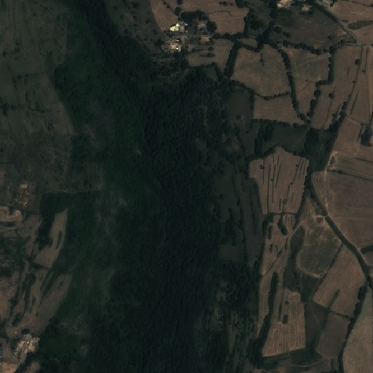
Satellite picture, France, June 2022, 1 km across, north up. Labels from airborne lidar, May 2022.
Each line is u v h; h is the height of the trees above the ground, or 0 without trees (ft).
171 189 40
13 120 0
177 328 40
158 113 48
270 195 0
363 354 0
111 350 39
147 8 0
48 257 0
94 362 33
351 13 0
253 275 27
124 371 23
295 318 0
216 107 22
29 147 0
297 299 0
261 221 0
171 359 32
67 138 0
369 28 0
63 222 0
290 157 0
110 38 55
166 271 43
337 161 0
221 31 0
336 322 0
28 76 28
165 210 40
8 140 0
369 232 0
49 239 28
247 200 0
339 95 0
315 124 0
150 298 55
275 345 0
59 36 0
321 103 0
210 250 32
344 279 0
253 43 0
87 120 23
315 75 0
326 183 0
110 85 33
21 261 24
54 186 0
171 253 34
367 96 0
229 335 0
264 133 45
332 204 0
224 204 0
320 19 0
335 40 0
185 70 29
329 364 0
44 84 0
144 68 28
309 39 0
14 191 0
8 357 0
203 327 23
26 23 0
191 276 31
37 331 0
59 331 45
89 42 27
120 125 22
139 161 24
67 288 0
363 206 0
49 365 61
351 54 0
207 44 30
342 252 0
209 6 0
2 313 0
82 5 60
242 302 23
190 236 25
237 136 36
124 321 27
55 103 0
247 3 52
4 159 0
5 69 0
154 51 0
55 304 0
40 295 0
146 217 31
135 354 31
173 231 40
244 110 0
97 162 20
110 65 67
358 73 0
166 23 0
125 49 24
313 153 0
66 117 0
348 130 0
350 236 0
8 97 0
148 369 56
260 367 29
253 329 22
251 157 37
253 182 0
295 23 0
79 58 23
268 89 0
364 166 0
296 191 0
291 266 0
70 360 33
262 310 0
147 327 33
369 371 0
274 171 0
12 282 0
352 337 0
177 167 26
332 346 0
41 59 0
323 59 0
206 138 29
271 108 0
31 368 0
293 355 0
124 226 32
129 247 36
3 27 0
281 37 0
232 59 45
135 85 60
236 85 45
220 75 56
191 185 29
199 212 20
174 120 24
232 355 27
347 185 0
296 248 0
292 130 0
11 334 0
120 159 36
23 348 0
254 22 36
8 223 0
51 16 0
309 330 0
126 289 27
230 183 0
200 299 34
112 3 0
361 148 0
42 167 0
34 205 0
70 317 0
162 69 39
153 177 52
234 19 0
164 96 52
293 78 50
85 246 0
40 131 0
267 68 0
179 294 47
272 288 21
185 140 38
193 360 25
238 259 0
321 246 0
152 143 32
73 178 0
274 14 39
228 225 24
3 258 0
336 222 0
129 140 21
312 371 0
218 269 30
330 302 0
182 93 48
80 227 0
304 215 0
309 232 0
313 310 0
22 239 0
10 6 0
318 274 0
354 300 0
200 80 43
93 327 28
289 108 0
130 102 46
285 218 0
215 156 0
